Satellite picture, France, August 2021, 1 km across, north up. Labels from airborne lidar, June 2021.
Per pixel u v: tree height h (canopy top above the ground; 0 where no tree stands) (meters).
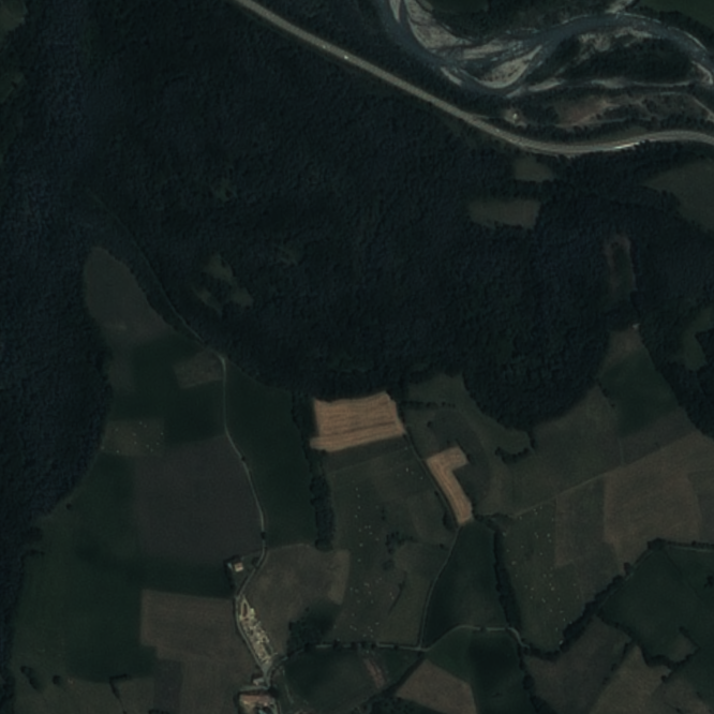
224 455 0
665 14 10
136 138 18
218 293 13
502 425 10
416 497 0
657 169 16
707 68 0
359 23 6
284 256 11
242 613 0
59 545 0
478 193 17
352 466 0
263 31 12
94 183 15
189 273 19
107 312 0
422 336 16
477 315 6
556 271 17
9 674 13
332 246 19
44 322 21
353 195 10
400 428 0
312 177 10
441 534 0
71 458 18
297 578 0
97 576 0
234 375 0
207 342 9
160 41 23
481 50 0
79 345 28
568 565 0
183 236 12
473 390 14
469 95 6
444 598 0
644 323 9
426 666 0
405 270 15
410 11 0
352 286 15
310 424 7
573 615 0
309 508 0
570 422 0
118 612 0
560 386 21
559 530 0
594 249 21
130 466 0
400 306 13
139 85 25
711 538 0
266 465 0
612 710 0
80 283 14
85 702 0
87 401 24
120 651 0
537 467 0
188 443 0
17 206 9
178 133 21
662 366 15
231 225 17
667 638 0
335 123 14
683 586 0
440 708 0
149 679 0
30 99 16
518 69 0
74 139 11
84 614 0
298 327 18
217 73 18
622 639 0
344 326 20
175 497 0
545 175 0
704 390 16
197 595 0
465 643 0
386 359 21
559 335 14
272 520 0
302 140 14
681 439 0
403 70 10
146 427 0
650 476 0
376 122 17
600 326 18
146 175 9
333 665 0
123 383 0
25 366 19
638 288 15
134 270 12
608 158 13
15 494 17
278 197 17
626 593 0
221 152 23
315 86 16
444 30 0
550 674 0
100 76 18
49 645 0
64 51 15
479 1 0
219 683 0
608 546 0
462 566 0
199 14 19
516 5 14
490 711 0
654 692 0
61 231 16
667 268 20
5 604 21
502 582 16
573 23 0
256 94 14
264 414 0
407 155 13
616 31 0
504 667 0
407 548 0
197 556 0
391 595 0
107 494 0
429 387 0
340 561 0
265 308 17
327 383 19
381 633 0
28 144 16
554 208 17
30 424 19
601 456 0
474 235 17
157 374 0
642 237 23
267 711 8
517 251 18
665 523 0
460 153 13
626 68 12
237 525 0
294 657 13
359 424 0
